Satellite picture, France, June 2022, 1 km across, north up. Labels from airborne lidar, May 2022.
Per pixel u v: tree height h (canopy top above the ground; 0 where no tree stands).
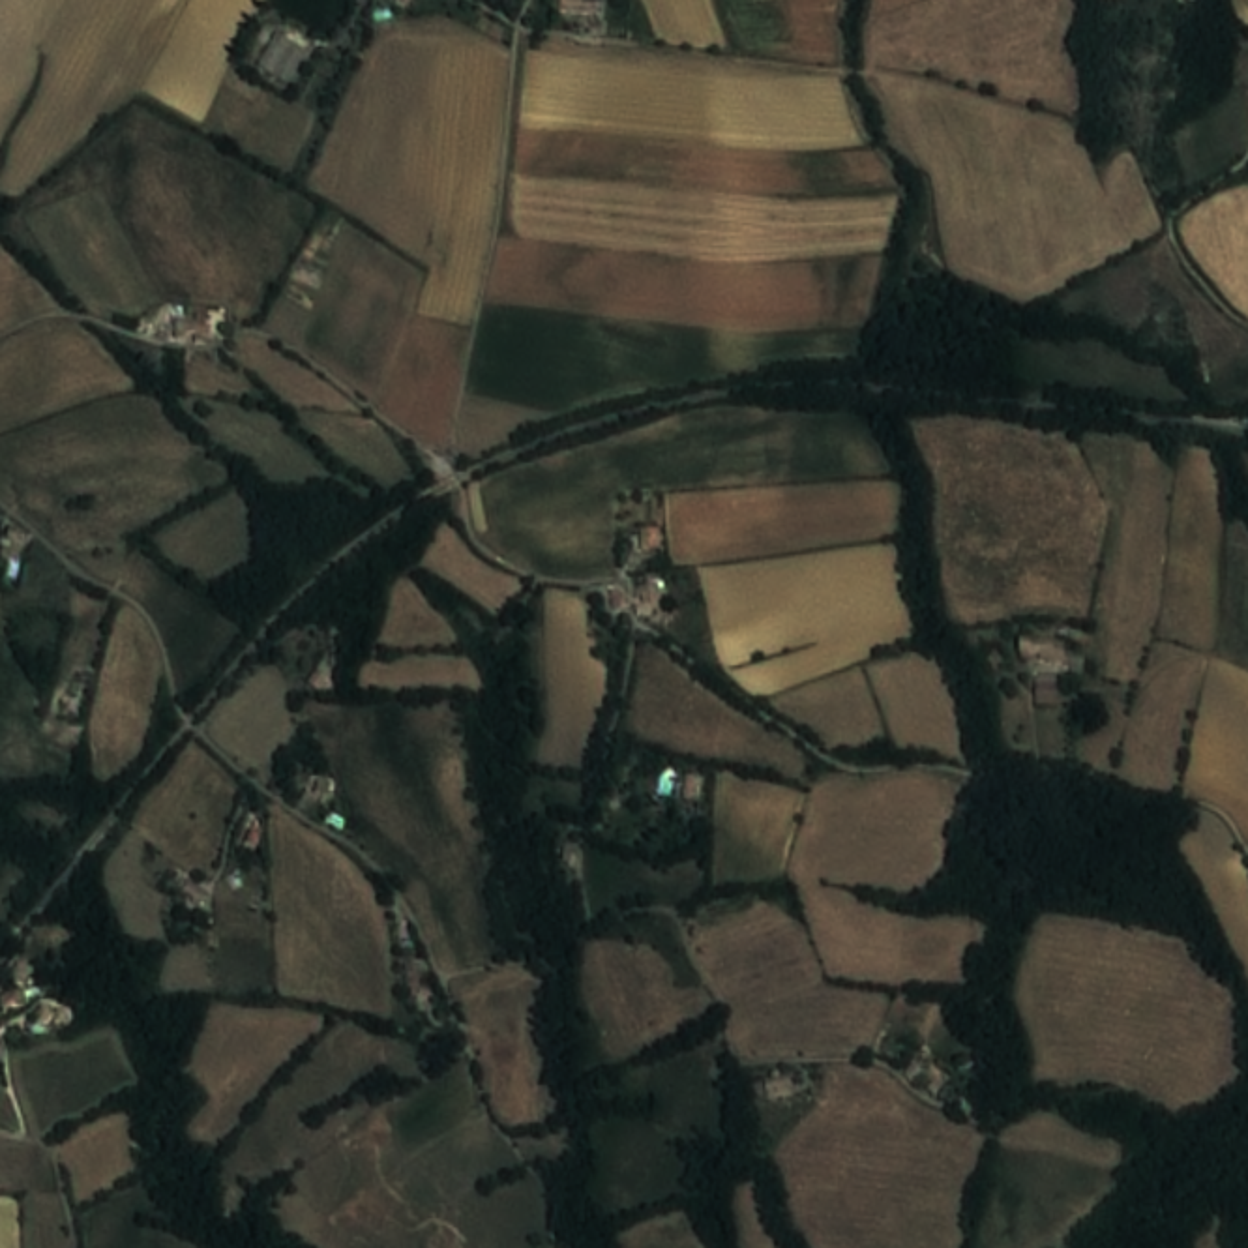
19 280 0
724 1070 16
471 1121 0
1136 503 0
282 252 0
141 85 0
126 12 0
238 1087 0
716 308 0
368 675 0
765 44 0
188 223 0
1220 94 8
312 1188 0
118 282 0
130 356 6
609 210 0
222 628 0
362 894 0
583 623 0
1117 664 0
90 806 16
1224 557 0
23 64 0
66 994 11
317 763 11
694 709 0
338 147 0
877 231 0
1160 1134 16
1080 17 9
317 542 13
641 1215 12
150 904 0
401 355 0
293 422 11
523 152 0
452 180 0
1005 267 0
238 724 0
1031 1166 0
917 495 14
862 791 0
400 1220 0
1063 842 19
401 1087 13
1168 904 20
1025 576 0
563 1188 18
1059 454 0
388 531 6
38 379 0
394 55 0
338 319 0
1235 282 0
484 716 8
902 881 0
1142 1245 16
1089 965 0
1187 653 0
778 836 0
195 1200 17
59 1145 10
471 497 0
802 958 0
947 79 0
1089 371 0
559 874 6
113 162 0
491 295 0
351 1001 0
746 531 0
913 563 16
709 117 0
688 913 6
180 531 0
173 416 9
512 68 0
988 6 0
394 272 0
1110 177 0
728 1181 11
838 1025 0
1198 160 0
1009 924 19
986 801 17
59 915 12
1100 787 15
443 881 0
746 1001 0
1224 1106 12
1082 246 0
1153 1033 0
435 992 11
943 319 18
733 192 0
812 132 0
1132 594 0
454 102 0
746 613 0
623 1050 0
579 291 0
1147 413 8
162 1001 11
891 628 0
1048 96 0
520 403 0
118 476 0
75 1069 0
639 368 0
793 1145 0
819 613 0
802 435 0
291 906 0
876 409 15
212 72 0
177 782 0
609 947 0
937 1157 0
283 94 9
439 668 0
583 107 0
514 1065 0
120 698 0
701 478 0
